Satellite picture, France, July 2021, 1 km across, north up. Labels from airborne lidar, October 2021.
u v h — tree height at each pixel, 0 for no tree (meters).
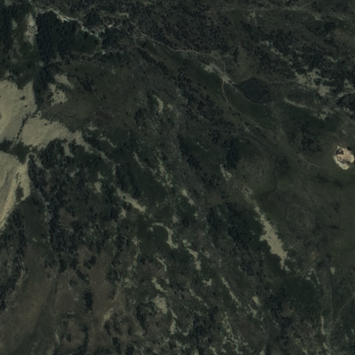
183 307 0
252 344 0
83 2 8
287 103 0
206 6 8
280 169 0
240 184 0
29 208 0
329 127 0
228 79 0
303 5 0
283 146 0
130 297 0
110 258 0
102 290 0
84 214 0
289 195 0
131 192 0
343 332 0
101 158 11
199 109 11
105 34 9
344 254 0
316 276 0
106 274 0
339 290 0
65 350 0
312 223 0
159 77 0
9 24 9
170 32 9
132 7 8
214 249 0
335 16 0
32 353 0
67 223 0
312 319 8
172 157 0
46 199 11
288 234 0
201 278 0
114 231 0
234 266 0
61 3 7
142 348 0
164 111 0
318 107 0
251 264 10
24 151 0
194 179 0
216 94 0
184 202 0
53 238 9
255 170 0
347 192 0
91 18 9
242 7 0
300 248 0
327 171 0
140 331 0
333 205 0
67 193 9
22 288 0
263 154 0
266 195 0
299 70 9
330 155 0
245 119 0
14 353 0
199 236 0
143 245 0
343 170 0
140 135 0
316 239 0
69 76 8
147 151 0
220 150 0
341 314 0
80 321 0
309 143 8
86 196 7
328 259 0
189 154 8
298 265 0
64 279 0
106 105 0
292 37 9
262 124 0
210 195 0
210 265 0
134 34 0
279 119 0
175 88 0
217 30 9
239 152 9
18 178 0
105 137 0
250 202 0
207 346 0
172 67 0
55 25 9
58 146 0
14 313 0
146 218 0
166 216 0
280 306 9
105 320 0
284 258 0
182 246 0
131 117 0
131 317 0
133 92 0
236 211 12
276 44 14
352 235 0
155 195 0
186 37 10
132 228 0
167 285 0
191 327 0
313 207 0
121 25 0
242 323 0
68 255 0
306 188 0
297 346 0
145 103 0
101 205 0
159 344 0
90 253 0
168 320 0
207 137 0
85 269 0
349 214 0
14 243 0
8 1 0
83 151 0
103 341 0
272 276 0
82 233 9
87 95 0
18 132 7
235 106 0
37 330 0
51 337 0
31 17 0
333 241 0
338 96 0
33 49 0
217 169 0
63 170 7
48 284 0
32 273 0
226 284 0
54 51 13
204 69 0
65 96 0
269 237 0
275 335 0
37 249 0
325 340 0
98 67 0
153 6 6
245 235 6
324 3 0
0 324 0
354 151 0
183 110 0
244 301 0
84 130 0
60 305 0
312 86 0
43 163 7
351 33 0
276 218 0
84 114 0
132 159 0
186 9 11
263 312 0
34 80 0
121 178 7
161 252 0
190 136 0
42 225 0
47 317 0
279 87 0
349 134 0
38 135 0
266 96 0
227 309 0
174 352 0
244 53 0
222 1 0
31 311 0
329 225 0
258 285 0
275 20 0
